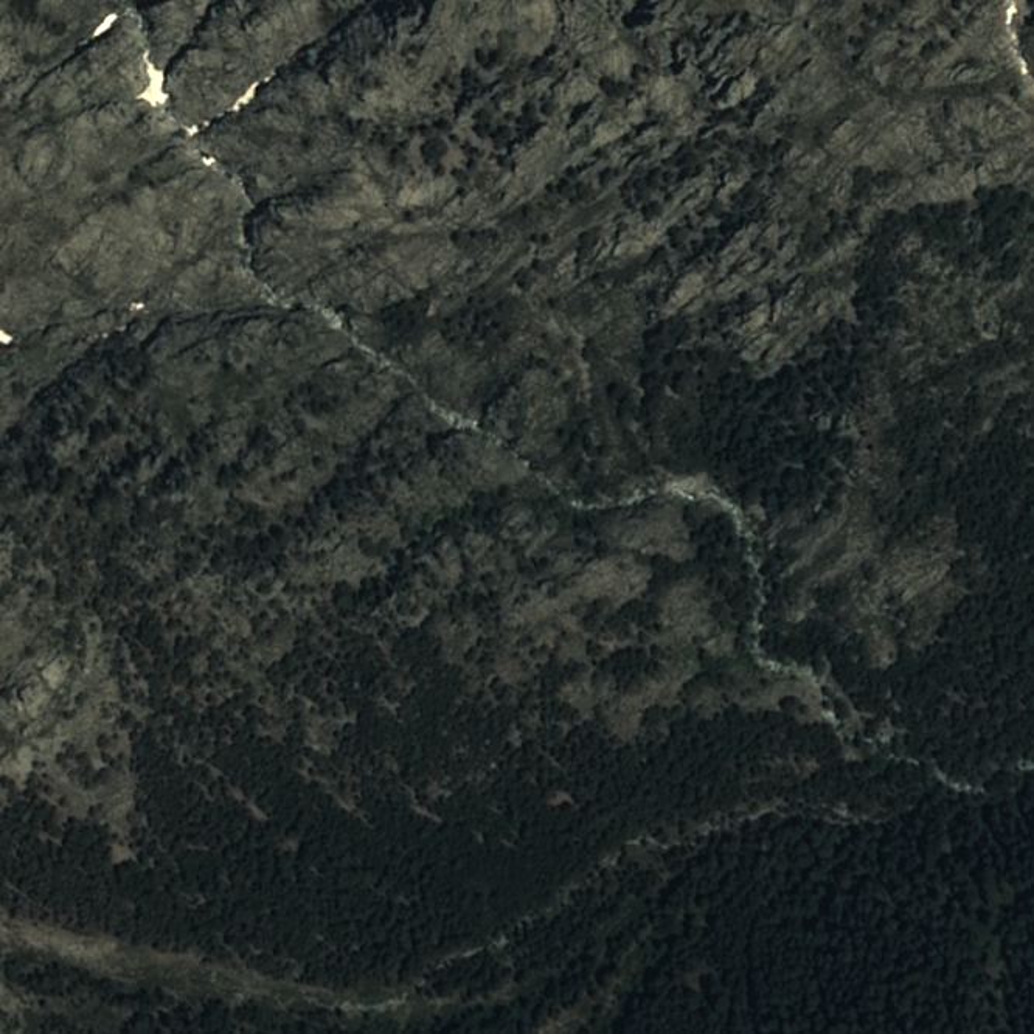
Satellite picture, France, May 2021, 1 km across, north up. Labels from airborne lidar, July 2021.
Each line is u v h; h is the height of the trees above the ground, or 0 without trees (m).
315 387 10
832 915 32
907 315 15
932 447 6
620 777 21
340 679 17
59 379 9
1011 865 28
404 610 18
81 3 0
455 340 14
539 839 28
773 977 27
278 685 19
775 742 19
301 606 9
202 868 20
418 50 16
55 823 18
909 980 32
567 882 22
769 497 25
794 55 0
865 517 0
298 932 34
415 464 7
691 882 23
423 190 0
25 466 8
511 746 20
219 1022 21
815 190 9
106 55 0
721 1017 27
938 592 0
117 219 0
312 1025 17
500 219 0
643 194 22
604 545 11
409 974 20
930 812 18
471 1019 13
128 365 8
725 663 17
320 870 21
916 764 12
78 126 0
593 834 22
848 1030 34
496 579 12
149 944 21
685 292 0
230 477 19
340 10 7
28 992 9
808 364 11
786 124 12
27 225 0
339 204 0
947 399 13
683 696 12
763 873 27
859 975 28
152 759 12
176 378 0
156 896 32
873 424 0
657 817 21
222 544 7
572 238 0
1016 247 11
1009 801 19
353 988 16
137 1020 15
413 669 13
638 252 7
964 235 15
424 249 0
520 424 6
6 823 19
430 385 10
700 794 22
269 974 14
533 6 0
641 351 9
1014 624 26
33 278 0
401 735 12
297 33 0
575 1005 17
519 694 10
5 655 0
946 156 8
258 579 11
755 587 12
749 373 9
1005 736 30
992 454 16
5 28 0
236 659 11
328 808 19
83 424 12
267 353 0
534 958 16
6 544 8
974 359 10
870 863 36
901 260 7
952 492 17
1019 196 7
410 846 26
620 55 0
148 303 6
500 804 23
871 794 17
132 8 0
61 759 14
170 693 9
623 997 15
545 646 10
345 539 12
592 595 0
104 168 0
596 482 10
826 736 15
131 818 10
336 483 14
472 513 9
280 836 26
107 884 25
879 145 0
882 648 0
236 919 24
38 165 0
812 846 30
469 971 18
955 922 28
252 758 15
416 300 10
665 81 0
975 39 0
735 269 8
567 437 23
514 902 22
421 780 28
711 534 23
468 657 13
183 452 10
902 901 26
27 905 22
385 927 27
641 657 26
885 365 7
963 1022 21
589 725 15
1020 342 6
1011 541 12
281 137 0
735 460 29
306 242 0
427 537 22
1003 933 26
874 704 16
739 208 8
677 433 9
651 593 11
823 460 20
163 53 0
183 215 0
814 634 20
